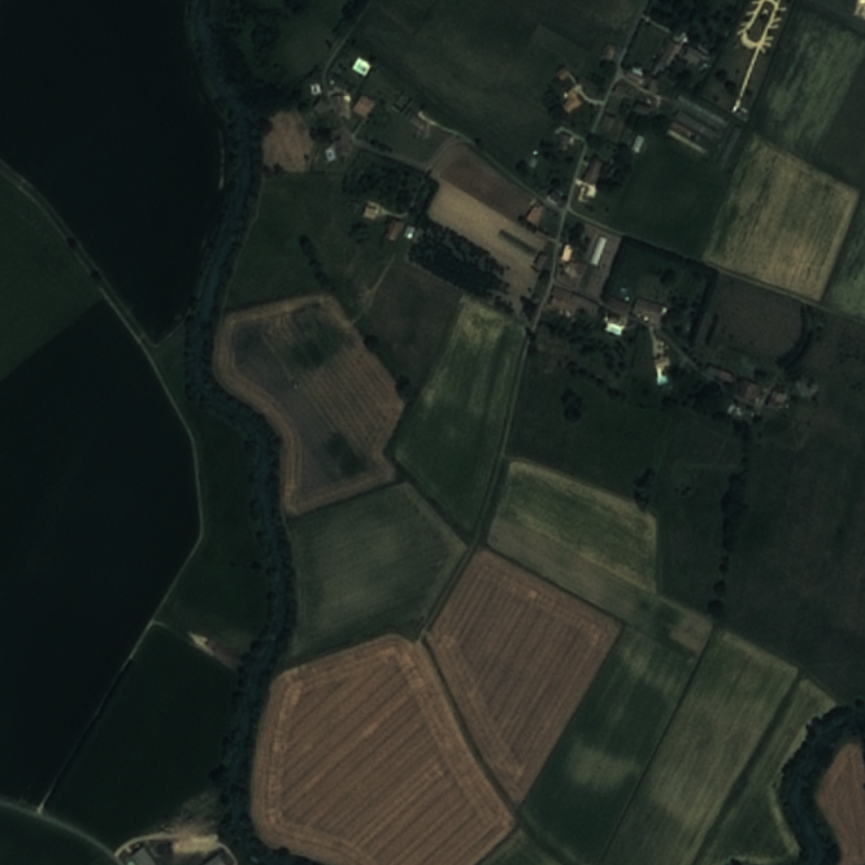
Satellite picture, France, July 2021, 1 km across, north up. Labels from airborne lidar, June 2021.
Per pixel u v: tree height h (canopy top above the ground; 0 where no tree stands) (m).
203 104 0
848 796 0
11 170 0
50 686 0
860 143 0
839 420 0
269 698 0
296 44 0
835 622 0
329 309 0
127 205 0
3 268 0
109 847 0
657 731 0
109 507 0
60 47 0
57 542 0
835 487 0
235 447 0
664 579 0
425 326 0
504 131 0
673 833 0
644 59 0
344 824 0
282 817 0
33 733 0
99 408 0
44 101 0
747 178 0
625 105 6
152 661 0
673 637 0
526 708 0
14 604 0
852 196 0
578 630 0
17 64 0
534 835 0
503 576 0
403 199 8
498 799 0
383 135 0
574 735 0
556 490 0
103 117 0
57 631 0
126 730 0
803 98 0
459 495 0
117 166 0
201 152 0
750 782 0
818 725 16
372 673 0
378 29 0
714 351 0
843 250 0
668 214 0
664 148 0
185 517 0
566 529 0
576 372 12
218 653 0
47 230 0
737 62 0
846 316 0
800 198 0
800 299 0
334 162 0
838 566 0
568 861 0
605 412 0
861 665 0
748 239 0
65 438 0
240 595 0
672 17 9
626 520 0
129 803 0
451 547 0
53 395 0
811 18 0
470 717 0
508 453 0
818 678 0
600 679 0
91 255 0
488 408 0
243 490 0
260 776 0
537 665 0
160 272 0
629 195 0
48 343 0
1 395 0
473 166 0
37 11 0
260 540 7
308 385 0
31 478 0
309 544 0
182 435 0
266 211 0
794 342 0
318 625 0
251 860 0
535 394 0
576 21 0
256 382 0
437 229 7
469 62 0
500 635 0
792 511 0
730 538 13
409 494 0
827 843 12
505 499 0
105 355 0
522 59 0
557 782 0
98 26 0
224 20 6
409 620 0
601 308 8
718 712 0
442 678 0
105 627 0
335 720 0
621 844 0
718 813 0
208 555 0
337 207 0
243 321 0
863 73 0
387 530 0
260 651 14
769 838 0
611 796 0
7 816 0
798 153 0
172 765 0
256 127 28
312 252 19
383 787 0
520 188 0
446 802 0
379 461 0
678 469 0
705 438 0
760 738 0
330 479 0
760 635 0
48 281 0
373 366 0
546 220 0
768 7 0
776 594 0
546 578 0
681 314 9
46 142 0
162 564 0
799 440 0
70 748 0
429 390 0
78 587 0
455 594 0
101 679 0
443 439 0
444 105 0
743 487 16
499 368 0
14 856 0
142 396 0
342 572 0
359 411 0
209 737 0
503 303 7
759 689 0
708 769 0
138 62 0
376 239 0
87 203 0
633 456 0
